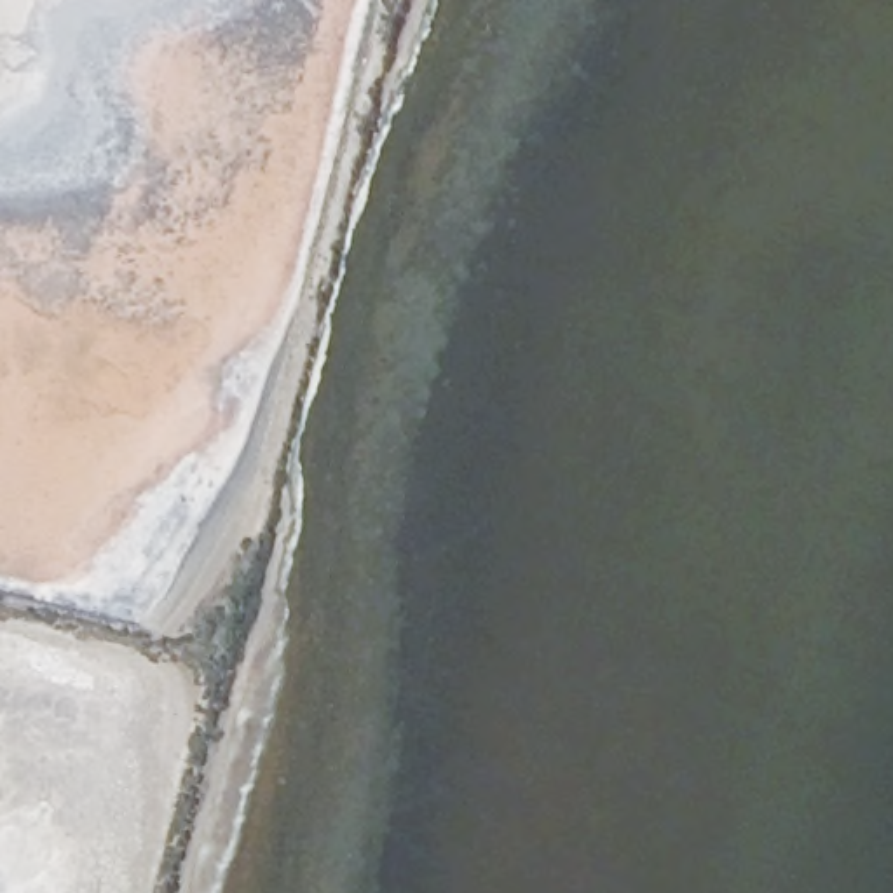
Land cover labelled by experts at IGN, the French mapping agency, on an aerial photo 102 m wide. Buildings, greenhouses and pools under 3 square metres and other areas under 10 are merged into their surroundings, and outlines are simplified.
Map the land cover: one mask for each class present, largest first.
<instances>
[{"label":"water","instance_id":"1","mask_svg":"<svg viewBox=\"0 0 893 893\"><path fill-rule=\"evenodd\" d=\"M356 0H255L248 17H230L206 35L160 45L157 59L150 63V91L147 98L133 101V150L115 171L112 185L98 181L49 195H0V576L59 583L91 572L98 551L136 516L140 499L153 492L185 457L206 453L234 426L241 405L223 387V377L241 352L262 342L293 279ZM303 527L293 555V572L286 583L290 624L283 652V687L276 698L269 743L258 764V781L248 795L241 841L220 893H893V0H436L429 38L422 42L415 73L405 80V105L394 115L391 136L380 150V164L359 223L338 307L331 317V335L310 419L300 443V460Z\"/></svg>","mask_w":893,"mask_h":893},{"label":"pervious surface","instance_id":"2","mask_svg":"<svg viewBox=\"0 0 893 893\"><path fill-rule=\"evenodd\" d=\"M255 0H0V195H49L98 181L112 185L115 171L133 150V101L147 98L150 91V63L157 59L160 45L206 35L230 17H248ZM384 0H356L293 279L262 342L241 352L223 377V387L241 405L234 426L206 453L185 457L153 492L140 499L136 516L98 551L91 572L59 583L0 576V590H21L38 600H70L80 610H98L129 621L150 635H185L192 631L199 603L213 590L230 586L234 555L241 551V541L258 537L269 516L276 460L290 429V408L303 352L314 331L317 286L331 265L342 199L359 150V126L370 108L373 77L384 59ZM436 0H412L398 59L391 80L384 84L380 126L373 133L363 181L352 199V220L359 223L380 164V150L391 136L394 115L405 105V80L415 73L422 42L429 38ZM331 335H317V356L303 394V415L310 419ZM303 527L300 460H290V485L283 492V520L276 530V548L262 586V607L234 677L230 708L220 719L223 736L209 750L206 792L195 816L192 848L181 865L185 893H220L241 841L248 795L258 781V764L269 743L276 698L283 687V652L290 624L286 583L293 572V555ZM192 673L174 663H150L136 649L119 642H80L73 631H59L38 621H0V893H153L174 802L181 795L188 736L202 726V715H195V708L188 705Z\"/></svg>","mask_w":893,"mask_h":893},{"label":"brushwood","instance_id":"3","mask_svg":"<svg viewBox=\"0 0 893 893\"><path fill-rule=\"evenodd\" d=\"M384 59L373 77L370 108L359 126V150L342 199L331 265L317 286L314 331L303 352L290 408V429L276 460L269 516L258 537L241 541V551L234 555L230 586L213 590L199 603L192 631L185 635H150L129 621L98 610H80L70 600H38L21 590H0V621H38L59 631H73L80 642H119L136 649L150 663H174L192 673L188 705L195 708V715H202V726L188 736L181 795L174 802L153 893H185L181 865L192 848L195 816L206 792L209 750L223 736L220 719L230 708L234 677L262 607V586L276 548V530L283 520V492L290 485V460H300V443L310 419L303 415V394L317 356V335H331V317L338 307L359 223L352 220V199L363 181L373 133L380 126L384 84L391 80L398 59L412 0H384Z\"/></svg>","mask_w":893,"mask_h":893}]
</instances>
